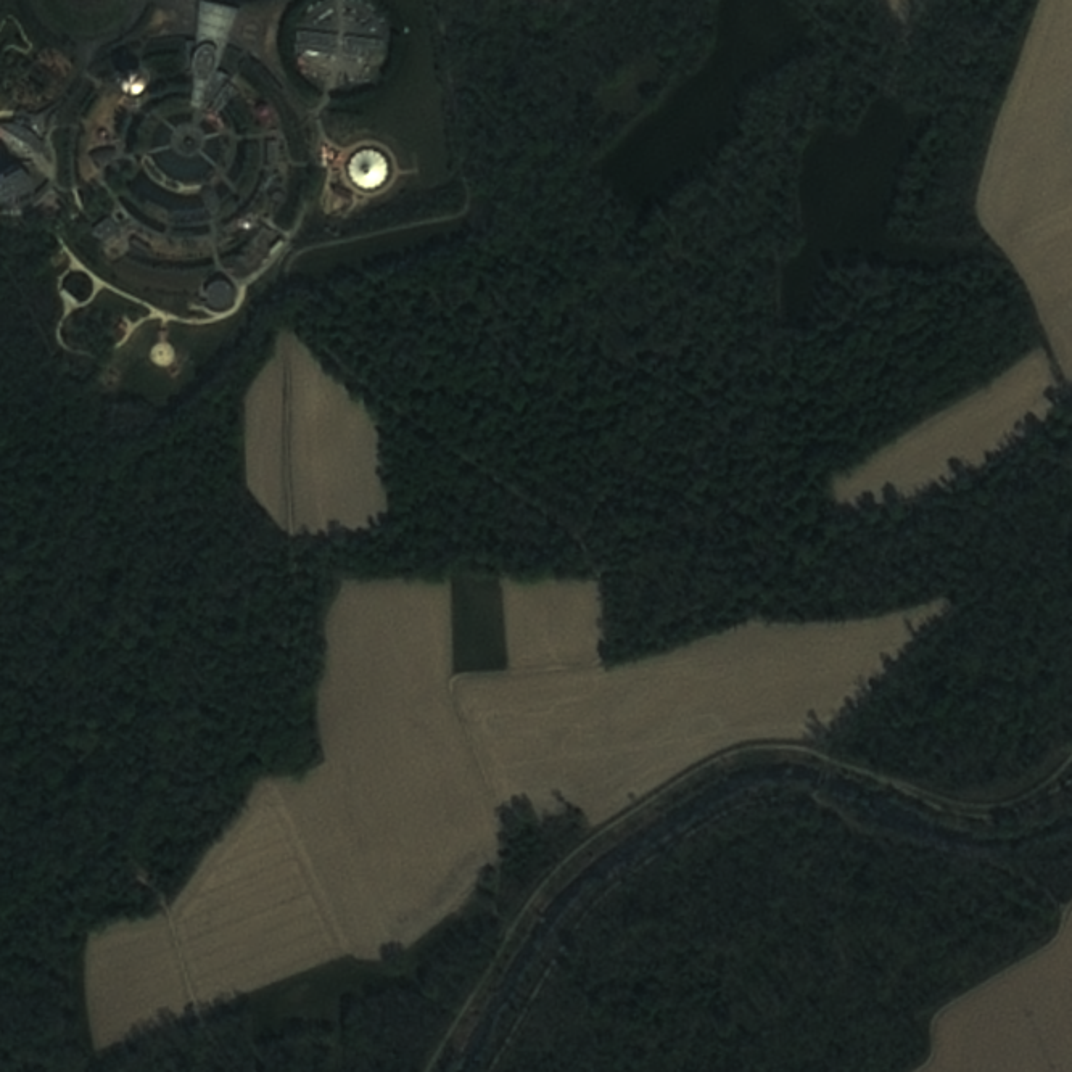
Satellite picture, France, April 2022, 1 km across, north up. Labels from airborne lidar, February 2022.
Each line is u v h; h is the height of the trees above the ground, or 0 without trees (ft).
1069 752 0
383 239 0
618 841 35
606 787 0
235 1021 88
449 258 59
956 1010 0
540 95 76
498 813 0
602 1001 91
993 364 65
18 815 79
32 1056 87
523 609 0
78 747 61
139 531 72
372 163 0
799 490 65
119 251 0
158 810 84
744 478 60
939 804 0
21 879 72
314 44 0
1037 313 55
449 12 60
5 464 50
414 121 0
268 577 61
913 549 74
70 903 68
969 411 0
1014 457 67
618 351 77
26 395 57
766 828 50
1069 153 0
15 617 83
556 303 77
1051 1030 0
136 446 72
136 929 0
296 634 35
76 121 19
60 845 84
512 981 0
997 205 0
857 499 0
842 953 78
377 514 0
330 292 27
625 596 43
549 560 80
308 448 0
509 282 64
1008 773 72
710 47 57
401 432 59
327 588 62
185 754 63
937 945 64
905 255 0
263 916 0
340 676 0
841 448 41
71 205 41
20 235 59
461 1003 68
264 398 0
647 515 83
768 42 0
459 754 0
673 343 41
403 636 0
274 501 0
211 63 0
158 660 80
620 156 0
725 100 0
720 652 0
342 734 0
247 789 23
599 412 55
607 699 0
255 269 0
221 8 0
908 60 69
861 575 72
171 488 49
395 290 49
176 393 0
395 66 21
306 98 0
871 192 0
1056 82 0
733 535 64
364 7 0
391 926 0
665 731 0
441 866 0
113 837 76
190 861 56
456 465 57
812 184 0
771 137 78
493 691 0
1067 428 67
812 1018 71
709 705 0
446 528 61
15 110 0
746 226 66
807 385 60
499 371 61
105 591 67
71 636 64
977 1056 0
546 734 0
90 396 42
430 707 0
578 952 83
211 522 24
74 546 59
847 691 0
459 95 57
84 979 0
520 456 40
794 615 80
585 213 81
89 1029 0
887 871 78
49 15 0
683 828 43
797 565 56
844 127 64
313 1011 0
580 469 52
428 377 61
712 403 60
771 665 0
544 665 0
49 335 43
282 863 0
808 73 65
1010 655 83
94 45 0
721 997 51
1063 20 0
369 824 0
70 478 85
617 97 0
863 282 75
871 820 71
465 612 0
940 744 88
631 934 62
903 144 0
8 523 67
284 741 68
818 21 31
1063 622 68
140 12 0
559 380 79
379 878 0
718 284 67
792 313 0
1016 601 66
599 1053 69
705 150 0
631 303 91
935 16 83
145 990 0
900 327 42
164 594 58
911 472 0
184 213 0
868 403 70
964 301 68
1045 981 0
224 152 22
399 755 0
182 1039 91
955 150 54
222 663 53
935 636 53
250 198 0
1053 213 0
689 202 70
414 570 69
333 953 0
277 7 0
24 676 42
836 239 0
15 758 73
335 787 0
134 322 0
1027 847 66
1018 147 0
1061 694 78
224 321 0
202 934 0
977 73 67
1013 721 61
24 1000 102
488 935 73
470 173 50
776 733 0
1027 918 67
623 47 0
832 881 83
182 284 0
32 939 79
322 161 23
